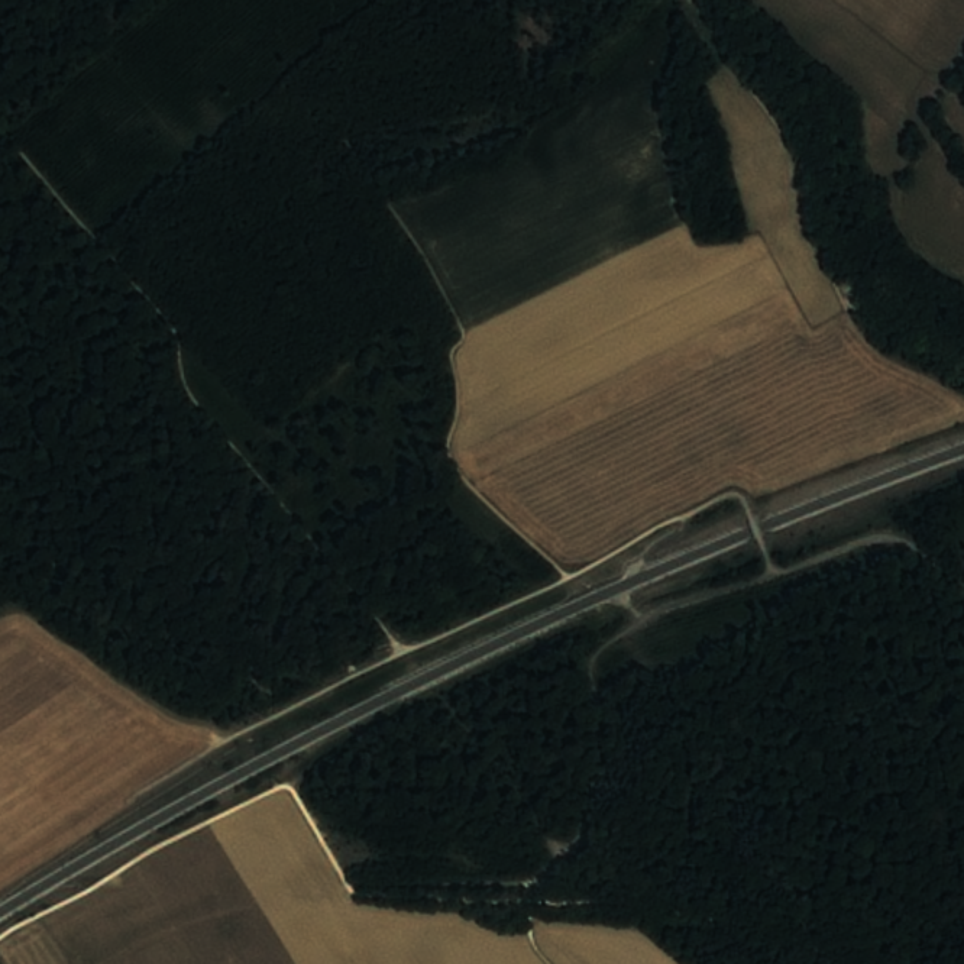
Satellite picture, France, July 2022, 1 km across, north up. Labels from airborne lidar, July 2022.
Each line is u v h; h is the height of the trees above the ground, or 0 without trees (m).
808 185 25
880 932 26
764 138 0
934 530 15
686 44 23
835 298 0
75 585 30
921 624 28
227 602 29
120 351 26
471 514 0
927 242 0
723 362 0
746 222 14
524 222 0
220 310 19
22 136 7
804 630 25
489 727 29
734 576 9
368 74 20
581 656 28
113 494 27
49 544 24
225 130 15
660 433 0
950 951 24
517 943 0
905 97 0
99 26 31
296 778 0
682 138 25
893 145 0
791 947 17
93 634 26
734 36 27
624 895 20
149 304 27
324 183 19
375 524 31
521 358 0
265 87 6
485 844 19
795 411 0
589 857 21
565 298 0
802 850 27
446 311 12
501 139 21
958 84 21
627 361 0
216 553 24
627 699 15
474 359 0
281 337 18
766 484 0
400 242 10
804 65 18
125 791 0
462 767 29
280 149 21
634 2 25
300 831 0
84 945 0
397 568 31
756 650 25
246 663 24
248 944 0
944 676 29
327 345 23
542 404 0
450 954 0
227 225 22
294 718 0
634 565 0
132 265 22
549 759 22
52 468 24
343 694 0
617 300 0
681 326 0
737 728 25
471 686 10
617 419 0
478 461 0
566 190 0
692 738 24
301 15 6
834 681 26
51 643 0
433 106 19
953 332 24
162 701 16
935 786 30
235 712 30
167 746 0
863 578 32
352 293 21
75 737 0
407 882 12
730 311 0
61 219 24
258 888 0
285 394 15
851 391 0
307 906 0
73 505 28
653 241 0
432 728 24
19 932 0
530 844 24
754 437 0
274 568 28
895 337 22
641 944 0
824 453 0
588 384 0
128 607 30
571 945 0
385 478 31
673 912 18
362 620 11
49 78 19
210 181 20
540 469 0
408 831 17
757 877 27
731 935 22
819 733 24
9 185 23
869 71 0
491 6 26
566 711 27
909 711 28
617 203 0
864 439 0
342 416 28
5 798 0
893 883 27
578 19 22
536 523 0
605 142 0
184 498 25
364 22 15
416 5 21
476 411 0
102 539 33
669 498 0
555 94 21
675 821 22
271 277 15
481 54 22
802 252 0
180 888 0
